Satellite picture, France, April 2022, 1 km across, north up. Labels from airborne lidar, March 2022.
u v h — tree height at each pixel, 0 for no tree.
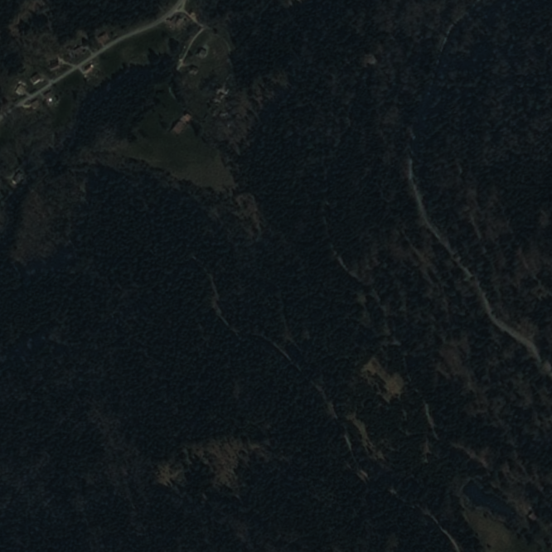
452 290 41
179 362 24
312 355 25
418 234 14
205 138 7
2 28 21
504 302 15
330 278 25
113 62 0
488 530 0
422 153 23
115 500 23
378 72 13
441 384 19
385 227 26
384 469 20
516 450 19
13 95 0
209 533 22
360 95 16
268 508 15
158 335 35
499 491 11
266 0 19
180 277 25
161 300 27
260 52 19
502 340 26
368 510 12
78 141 24
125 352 33
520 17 30
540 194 16
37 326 28
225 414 24
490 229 22
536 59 27
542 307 16
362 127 19
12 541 21
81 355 25
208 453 16
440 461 10
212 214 23
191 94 8
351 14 26
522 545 0
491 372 11
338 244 22
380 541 22
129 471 28
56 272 29
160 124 0
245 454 9
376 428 11
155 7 32
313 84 29
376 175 24
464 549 16
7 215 19
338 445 28
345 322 19
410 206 15
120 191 17
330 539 21
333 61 21
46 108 8
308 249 27
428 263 29
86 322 26
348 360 8
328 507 17
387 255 13
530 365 39
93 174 9
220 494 9
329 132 23
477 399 12
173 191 8
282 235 19
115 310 24
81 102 17
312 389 24
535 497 36
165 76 36
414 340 29
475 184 21
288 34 21
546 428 19
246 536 26
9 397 29
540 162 16
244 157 8
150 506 22
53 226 10
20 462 22
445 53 11
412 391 10
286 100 28
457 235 17
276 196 24
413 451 12
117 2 25
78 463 28
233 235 19
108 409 31
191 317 32
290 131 27
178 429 26
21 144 15
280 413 28
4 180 14
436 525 27
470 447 16
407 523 23
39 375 28
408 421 8
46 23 34
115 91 30
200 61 0
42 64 0
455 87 19
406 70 18
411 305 42
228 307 26
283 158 26
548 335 10
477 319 20
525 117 21
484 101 20
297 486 17
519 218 21
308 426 32
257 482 26
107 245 28
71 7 30
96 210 25
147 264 31
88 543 23
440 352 11
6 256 29
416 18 15
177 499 24
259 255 21
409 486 28
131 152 0
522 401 17
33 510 26
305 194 19
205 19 19
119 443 26
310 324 24
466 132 24
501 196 8
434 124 27
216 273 21
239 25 21
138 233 32
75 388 33
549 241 22
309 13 17
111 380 27
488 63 24
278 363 22
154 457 24
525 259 14
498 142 24
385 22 16
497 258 28
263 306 29
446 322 12
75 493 20
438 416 14
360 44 17
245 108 0
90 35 17
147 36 0
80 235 27
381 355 9
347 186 22
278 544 27
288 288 28
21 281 31
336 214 18
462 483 10
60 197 11
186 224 25
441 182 21
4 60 19
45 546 26
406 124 17
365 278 14
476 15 12
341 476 12
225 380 28
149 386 28
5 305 36
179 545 26
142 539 28
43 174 25
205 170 0
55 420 28
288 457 23
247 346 25
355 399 9
